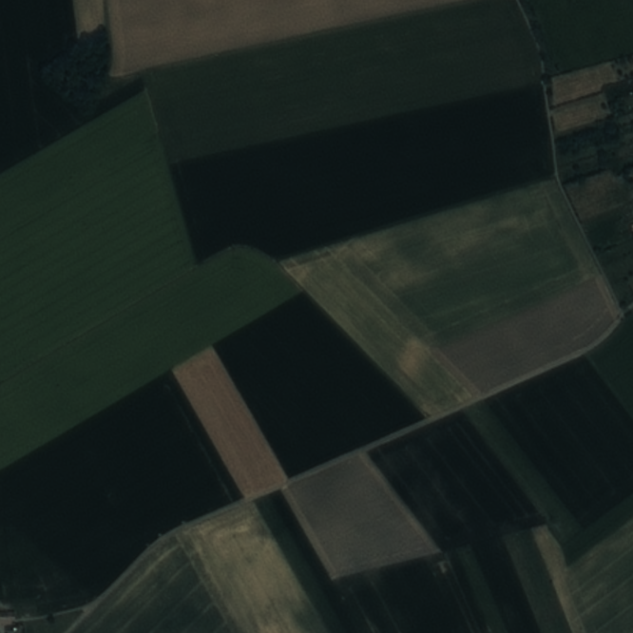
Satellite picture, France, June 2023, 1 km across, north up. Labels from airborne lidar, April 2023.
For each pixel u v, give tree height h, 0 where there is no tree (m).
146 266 0
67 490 0
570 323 0
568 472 0
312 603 0
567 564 0
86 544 0
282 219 0
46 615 0
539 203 0
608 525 0
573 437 0
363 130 0
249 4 0
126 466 0
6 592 0
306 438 0
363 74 0
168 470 0
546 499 0
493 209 0
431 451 0
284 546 0
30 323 0
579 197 0
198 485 0
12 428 0
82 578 0
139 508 0
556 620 0
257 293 0
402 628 0
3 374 0
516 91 0
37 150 0
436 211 0
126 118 0
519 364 0
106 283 0
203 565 0
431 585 0
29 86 0
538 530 0
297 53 0
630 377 0
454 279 0
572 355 0
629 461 0
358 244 0
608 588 0
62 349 0
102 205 0
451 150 0
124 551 0
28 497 0
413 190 0
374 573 0
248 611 0
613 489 0
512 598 0
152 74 0
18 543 0
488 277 0
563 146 8
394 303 0
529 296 0
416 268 0
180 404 0
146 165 0
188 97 0
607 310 0
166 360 0
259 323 0
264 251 0
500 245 0
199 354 0
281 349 0
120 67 0
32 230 0
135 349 0
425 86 0
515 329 0
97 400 0
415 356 0
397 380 0
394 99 0
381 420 0
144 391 0
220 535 0
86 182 0
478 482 0
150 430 0
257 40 0
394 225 0
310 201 0
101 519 0
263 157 0
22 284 0
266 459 0
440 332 0
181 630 0
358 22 0
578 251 0
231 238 0
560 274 0
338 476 0
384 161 0
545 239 0
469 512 0
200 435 0
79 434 0
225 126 0
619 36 0
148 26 0
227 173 0
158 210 0
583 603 0
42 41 0
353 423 0
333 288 0
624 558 0
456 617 0
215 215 0
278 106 0
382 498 0
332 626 0
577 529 0
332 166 0
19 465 0
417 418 0
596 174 7
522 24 0
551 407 0
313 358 0
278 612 0
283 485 0
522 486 0
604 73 0
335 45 0
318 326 0
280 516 0
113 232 0
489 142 0
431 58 0
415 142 0
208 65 0
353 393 0
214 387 0
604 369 0
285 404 0
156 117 0
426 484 0
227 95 0
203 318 0
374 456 0
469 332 0
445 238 0
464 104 0
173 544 0
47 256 0
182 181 0
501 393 0
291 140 0
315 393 0
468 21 0
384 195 0
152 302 0
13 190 0
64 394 0
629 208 0
